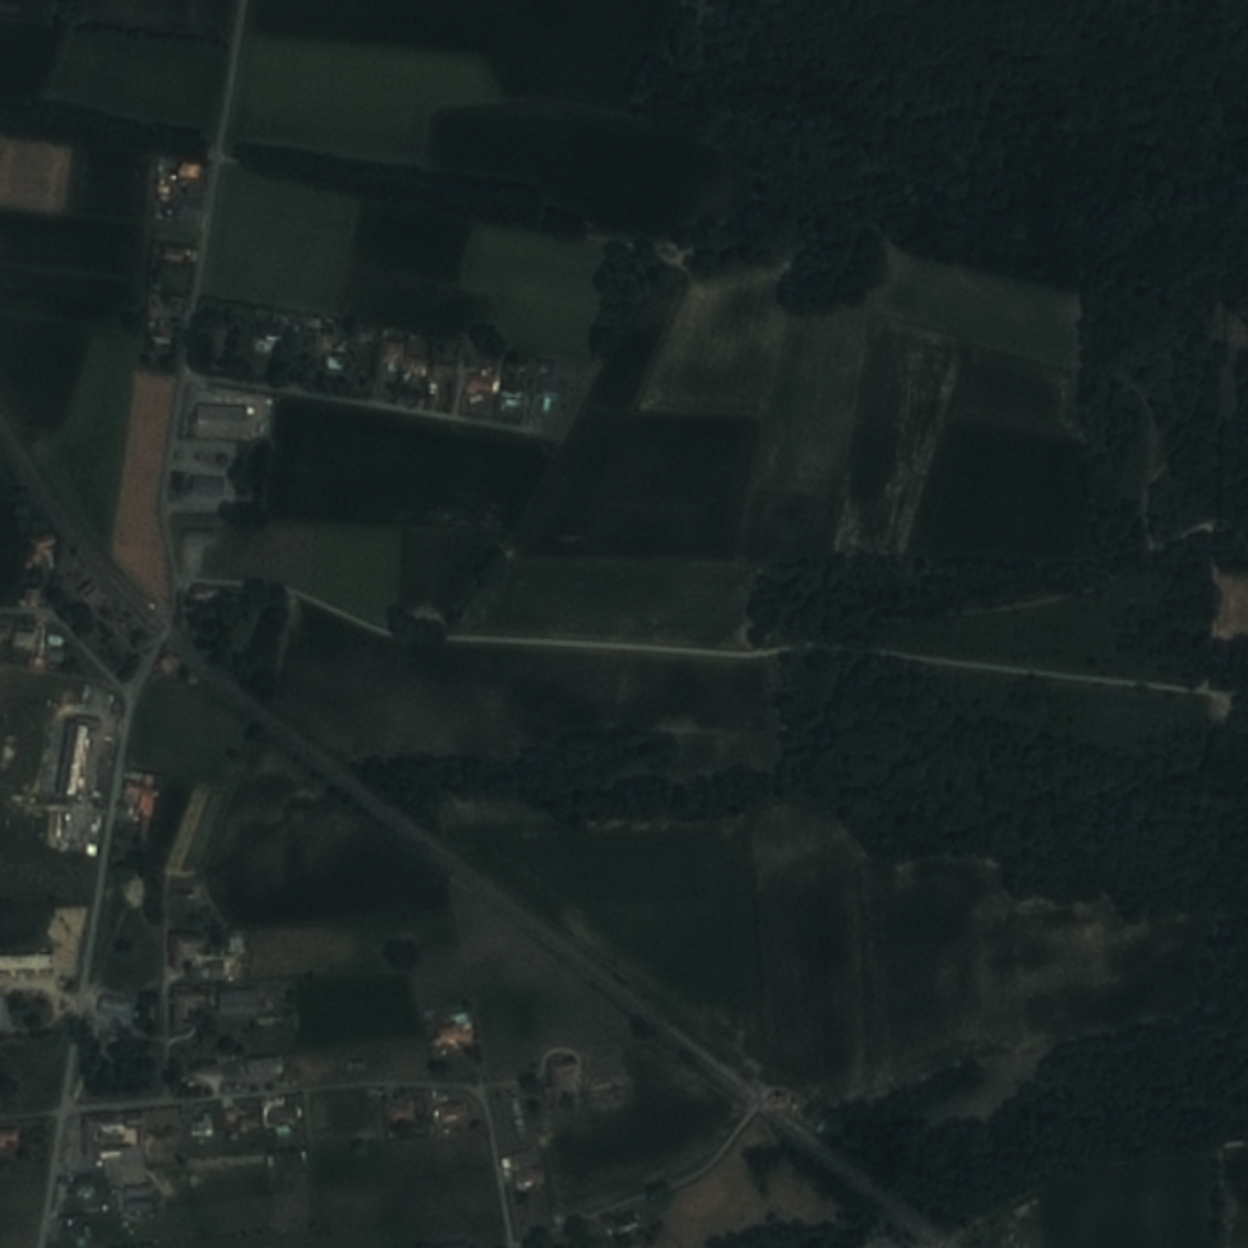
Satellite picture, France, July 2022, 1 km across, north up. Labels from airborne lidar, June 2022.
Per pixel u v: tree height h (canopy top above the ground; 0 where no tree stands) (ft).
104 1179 0
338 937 0
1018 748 34
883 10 88
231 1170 0
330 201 0
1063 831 73
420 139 0
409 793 49
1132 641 28
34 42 0
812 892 0
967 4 87
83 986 0
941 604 44
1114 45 72
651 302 0
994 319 0
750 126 111
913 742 74
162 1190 0
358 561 0
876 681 49
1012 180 97
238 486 32
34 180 0
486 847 0
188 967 34
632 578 0
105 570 0
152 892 49
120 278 0
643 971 0
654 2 0
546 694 0
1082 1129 97
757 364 0
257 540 0
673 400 0
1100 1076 80
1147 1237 0
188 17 0
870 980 0
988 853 60
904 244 76
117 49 0
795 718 58
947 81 87
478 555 0
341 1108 0
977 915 0
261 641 62
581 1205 0
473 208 79
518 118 0
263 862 0
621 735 45
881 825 42
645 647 0
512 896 0
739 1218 0
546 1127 0
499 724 0
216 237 0
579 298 0
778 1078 0
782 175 93
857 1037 0
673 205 0
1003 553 0
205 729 0
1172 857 78
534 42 0
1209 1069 85
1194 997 0
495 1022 0
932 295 0
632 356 0
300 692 0
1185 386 50
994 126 53
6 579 0
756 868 0
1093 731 0
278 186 0
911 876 0
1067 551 0
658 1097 0
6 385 0
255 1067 0
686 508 0
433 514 0
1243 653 67
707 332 0
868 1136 40
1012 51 52
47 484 0
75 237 0
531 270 0
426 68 0
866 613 30
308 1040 0
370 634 0
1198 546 35
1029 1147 86
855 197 80
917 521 0
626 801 80
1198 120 83
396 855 0
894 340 0
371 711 0
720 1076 0
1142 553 56
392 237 0
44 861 0
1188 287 76
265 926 0
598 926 0
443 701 0
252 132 0
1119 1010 0
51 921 0
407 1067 0
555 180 0
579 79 0
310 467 0
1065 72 80
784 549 0
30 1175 0
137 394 0
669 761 78
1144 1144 59
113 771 0
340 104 0
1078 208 93
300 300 0
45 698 0
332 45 0
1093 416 37
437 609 0
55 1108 0
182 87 0
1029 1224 0
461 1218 0
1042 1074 47
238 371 57
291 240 0
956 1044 0
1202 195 92
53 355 0
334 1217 0
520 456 0
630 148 0
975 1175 92
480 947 0
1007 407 0
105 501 0
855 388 0
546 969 0
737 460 0
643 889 0
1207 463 63
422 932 0
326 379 42
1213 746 40
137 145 63
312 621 0
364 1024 0
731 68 70
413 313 0
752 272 0
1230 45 84
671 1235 0
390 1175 0
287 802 0
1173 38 65
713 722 0
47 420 0
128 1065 57
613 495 0
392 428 0
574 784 66
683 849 0
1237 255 57
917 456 0
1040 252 67
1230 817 59
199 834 0
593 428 0
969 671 0
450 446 0
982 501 0
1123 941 0
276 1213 0
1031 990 0
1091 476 64
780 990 0
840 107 53
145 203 0
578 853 0
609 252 50
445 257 0
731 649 0
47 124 77
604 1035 0
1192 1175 0
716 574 0
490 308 0
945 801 84
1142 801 83
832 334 0
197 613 44
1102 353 68
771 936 0
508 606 0
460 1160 0
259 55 0
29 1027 37
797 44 103
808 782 82
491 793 73
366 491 0
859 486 0
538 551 0
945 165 89
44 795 0
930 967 0
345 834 0
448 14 0
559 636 0
